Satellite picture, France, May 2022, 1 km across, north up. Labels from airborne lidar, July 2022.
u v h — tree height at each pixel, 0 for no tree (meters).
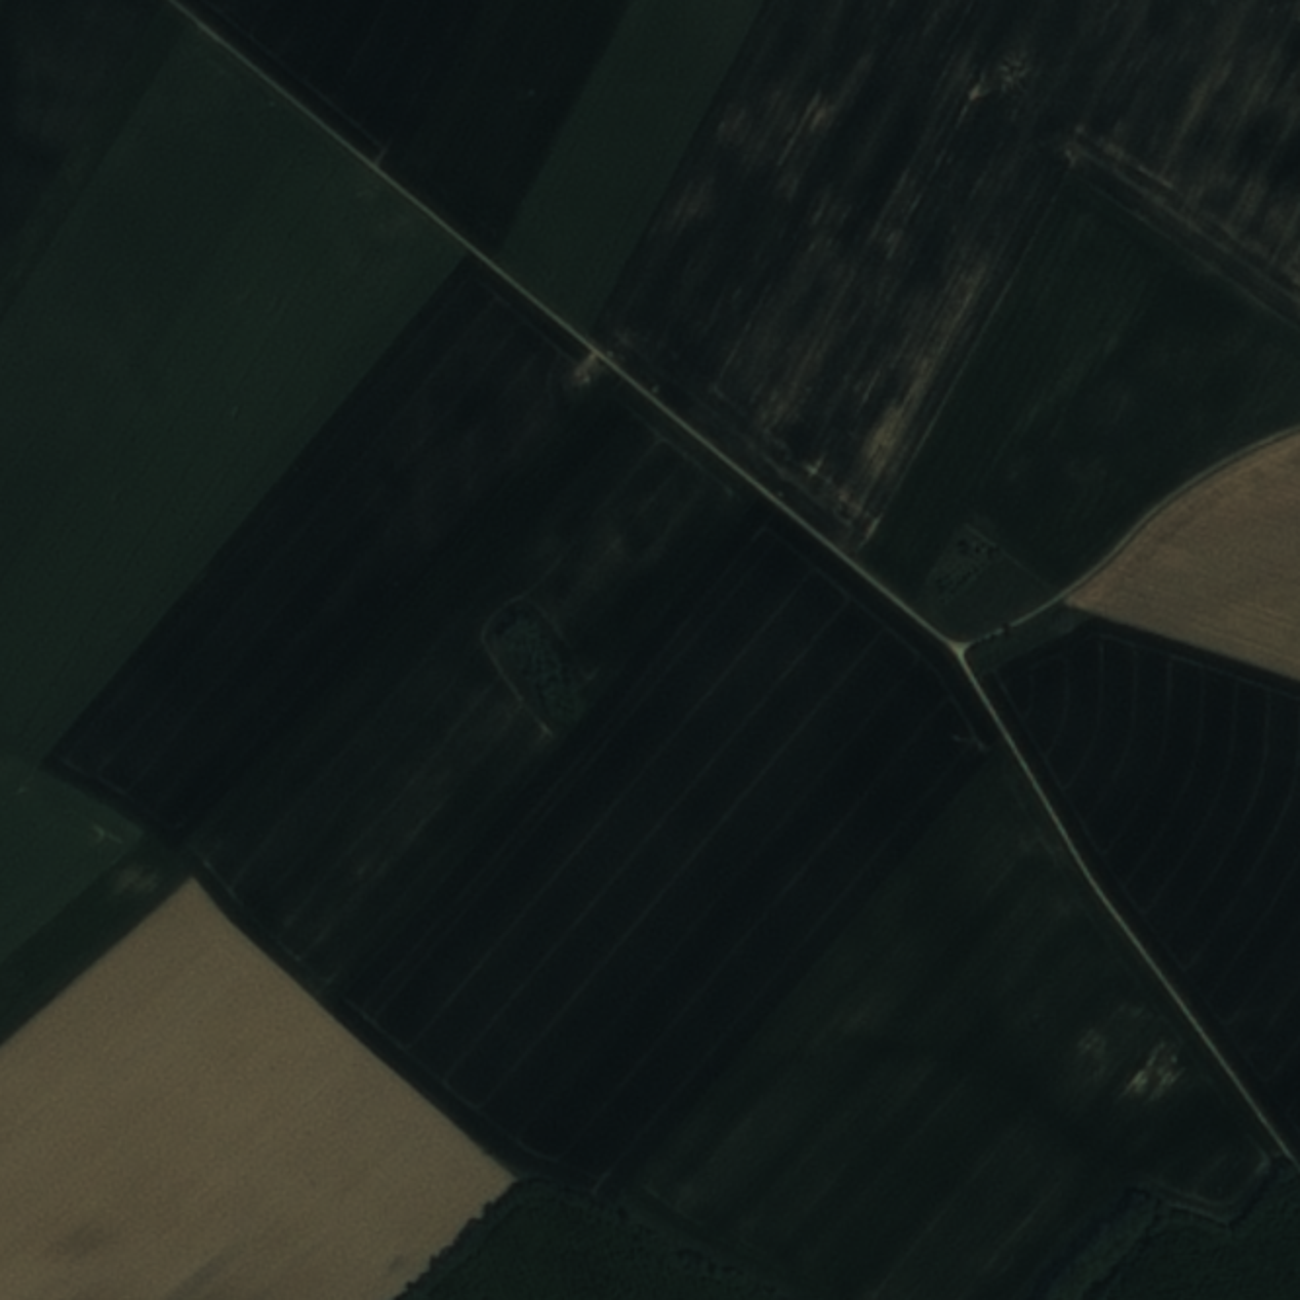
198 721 0
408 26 0
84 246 0
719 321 0
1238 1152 0
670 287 0
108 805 0
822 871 0
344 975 0
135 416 0
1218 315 0
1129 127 0
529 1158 0
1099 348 0
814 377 0
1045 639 0
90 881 0
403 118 0
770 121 0
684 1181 0
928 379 0
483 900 0
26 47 0
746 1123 0
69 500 0
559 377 0
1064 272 0
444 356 0
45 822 0
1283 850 0
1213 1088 0
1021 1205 0
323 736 0
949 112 0
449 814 0
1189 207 0
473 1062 0
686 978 0
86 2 0
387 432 0
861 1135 0
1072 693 0
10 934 0
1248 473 0
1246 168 0
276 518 0
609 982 0
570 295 0
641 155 0
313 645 0
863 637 0
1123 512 0
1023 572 0
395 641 0
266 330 0
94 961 0
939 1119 0
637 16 0
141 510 0
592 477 0
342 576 0
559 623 0
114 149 0
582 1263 6
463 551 0
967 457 0
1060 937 0
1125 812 0
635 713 0
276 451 0
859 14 0
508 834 0
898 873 0
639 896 0
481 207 0
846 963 0
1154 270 0
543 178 0
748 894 0
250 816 0
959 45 0
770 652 0
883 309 0
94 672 0
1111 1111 0
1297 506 0
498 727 0
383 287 0
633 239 0
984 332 0
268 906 0
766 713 0
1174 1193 0
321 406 0
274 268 0
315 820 0
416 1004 0
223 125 0
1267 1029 0
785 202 0
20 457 0
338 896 0
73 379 0
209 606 0
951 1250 0
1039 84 0
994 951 0
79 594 0
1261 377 0
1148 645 0
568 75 0
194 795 0
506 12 0
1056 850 0
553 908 0
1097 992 0
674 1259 6
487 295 0
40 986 0
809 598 0
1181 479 0
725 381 0
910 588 0
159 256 0
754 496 0
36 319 0
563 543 0
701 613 0
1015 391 0
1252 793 0
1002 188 0
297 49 0
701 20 0
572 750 0
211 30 0
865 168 0
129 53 0
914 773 0
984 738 0
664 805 0
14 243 0
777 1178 0
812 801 0
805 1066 0
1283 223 0
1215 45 0
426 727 0
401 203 0
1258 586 0
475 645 0
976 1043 0
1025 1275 0
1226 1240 12
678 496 0
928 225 0
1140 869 0
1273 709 0
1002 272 0
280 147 0
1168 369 0
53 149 0
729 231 0
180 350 0
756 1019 0
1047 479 0
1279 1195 17
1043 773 0
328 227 0
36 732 0
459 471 0
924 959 0
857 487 0
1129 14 0
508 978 0
